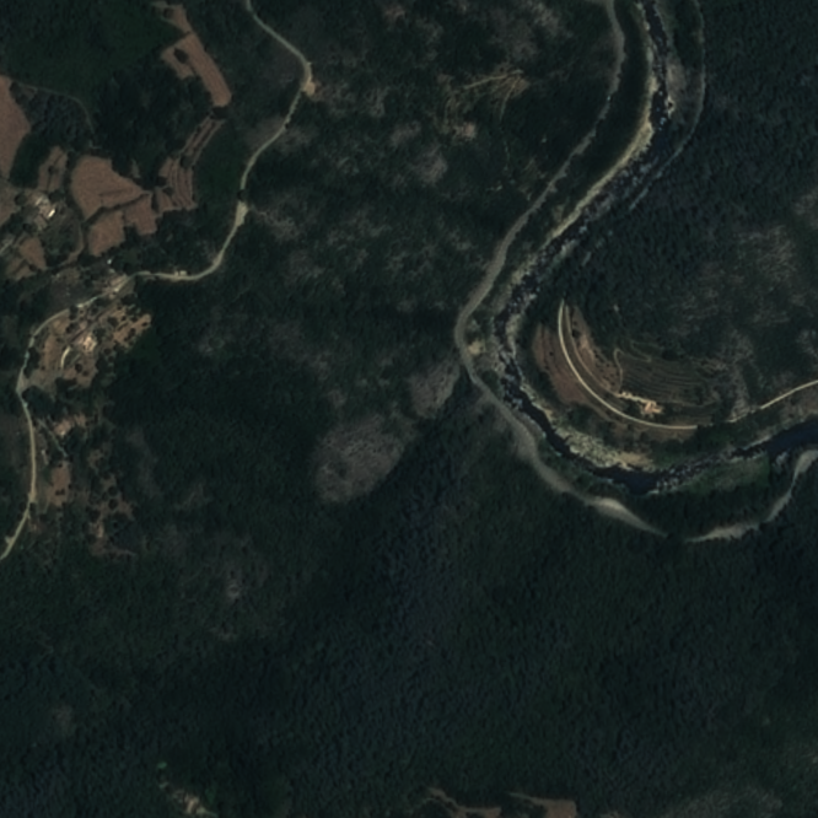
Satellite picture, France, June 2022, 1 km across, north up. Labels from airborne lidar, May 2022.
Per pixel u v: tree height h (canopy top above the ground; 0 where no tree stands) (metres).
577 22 9
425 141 9
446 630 19
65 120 11
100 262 7
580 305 11
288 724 18
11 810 18
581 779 7
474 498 7
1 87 0
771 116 9
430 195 12
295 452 20
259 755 13
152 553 7
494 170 10
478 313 10
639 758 14
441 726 19
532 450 0
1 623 13
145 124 13
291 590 12
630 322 10
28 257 0
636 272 8
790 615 10
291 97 7
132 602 9
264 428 16
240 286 9
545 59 9
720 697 11
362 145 7
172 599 7
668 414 6
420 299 8
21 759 20
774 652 13
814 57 6
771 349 9
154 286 12
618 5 12
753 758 8
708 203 8
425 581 17
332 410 8
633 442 9
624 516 0
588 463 0
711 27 7
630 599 16
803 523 12
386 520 7
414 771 10
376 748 15
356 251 7
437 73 7
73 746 27
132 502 8
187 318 10
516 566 11
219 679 24
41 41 8
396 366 8
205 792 11
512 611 29
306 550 12
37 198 0
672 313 8
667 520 17
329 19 10
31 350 10
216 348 9
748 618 14
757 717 11
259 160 8
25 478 0
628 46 9
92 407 6
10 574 8
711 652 8
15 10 8
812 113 7
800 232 9
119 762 17
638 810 12
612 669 24
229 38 9
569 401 0
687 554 18
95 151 7
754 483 11
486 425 21
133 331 8
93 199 0
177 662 8
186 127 7
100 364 11
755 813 6
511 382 0
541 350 0
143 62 7
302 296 10
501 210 8
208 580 8
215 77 0
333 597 12
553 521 19
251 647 16
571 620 14
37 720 38
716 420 10
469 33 12
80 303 0
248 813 13
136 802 13
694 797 8
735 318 8
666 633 8
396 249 8
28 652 12
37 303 11
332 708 18
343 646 11
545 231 8
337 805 7
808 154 8
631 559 16
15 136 0
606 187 0
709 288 6
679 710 20
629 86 13
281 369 6
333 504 6
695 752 10
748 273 6
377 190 12
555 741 14
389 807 7
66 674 34
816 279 7
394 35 7
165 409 13
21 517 12
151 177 8
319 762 21
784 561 17
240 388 15
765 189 9
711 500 17
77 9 8
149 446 7
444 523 17
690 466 0
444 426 18
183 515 9
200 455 14
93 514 9
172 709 27
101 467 11
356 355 9
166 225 9
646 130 0
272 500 14
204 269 9
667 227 10
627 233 13
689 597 14
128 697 16
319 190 7
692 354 12
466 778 8
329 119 6
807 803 6
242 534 13
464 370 12
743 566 10
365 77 10
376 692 22
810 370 7
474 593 11
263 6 15
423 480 14
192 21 10
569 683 16
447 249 8
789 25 12
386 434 6
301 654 14
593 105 12
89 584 9
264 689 19
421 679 22
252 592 10
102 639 8
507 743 15
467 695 12
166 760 7
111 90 14
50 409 20
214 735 15
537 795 8
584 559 15
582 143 16
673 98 0
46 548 7
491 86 11
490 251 7
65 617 6
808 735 10
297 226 6
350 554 19
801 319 9
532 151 13
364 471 0
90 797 16
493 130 15
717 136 9
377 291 13
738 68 11
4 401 10
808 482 14
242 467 11
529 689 18
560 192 13
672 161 7
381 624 13
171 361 22
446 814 8
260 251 8
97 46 6
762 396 7
